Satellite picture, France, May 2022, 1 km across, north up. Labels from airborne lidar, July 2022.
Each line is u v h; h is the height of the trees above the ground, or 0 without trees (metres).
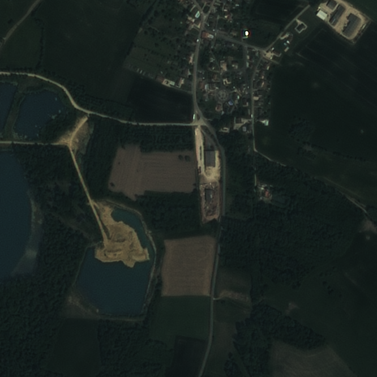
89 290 0
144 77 0
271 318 25
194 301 0
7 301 25
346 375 0
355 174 0
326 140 0
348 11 0
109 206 0
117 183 0
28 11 0
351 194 0
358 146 0
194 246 0
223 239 18
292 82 0
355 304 0
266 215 21
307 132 20
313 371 0
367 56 0
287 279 32
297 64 0
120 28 0
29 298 25
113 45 0
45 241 14
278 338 16
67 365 0
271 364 0
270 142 0
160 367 27
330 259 9
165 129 18
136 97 0
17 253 0
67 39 0
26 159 20
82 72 0
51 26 0
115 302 0
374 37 0
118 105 14
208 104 0
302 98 0
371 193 0
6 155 0
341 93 0
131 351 13
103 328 20
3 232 0
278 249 14
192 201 10
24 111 0
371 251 0
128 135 17
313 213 12
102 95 0
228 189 7
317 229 26
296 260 9
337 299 0
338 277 0
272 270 20
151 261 0
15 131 0
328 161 0
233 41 0
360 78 0
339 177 0
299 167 0
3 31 0
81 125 0
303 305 0
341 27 0
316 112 0
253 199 7
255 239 21
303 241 18
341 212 9
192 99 0
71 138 0
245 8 7
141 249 0
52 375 21
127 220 0
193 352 0
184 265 0
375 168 0
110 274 0
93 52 0
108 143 20
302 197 11
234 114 13
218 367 0
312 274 0
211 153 0
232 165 13
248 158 8
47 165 29
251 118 0
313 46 0
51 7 0
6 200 0
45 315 28
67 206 31
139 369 18
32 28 0
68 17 0
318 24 0
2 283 21
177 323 0
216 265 0
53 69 0
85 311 0
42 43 17
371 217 16
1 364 24
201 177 0
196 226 17
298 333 18
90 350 0
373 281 0
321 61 0
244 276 0
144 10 0
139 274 0
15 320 22
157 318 0
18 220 0
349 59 0
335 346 0
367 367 0
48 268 20
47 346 15
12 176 0
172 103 0
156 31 8
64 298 16
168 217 25
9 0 11
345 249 17
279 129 0
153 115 0
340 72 0
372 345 0
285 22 0
